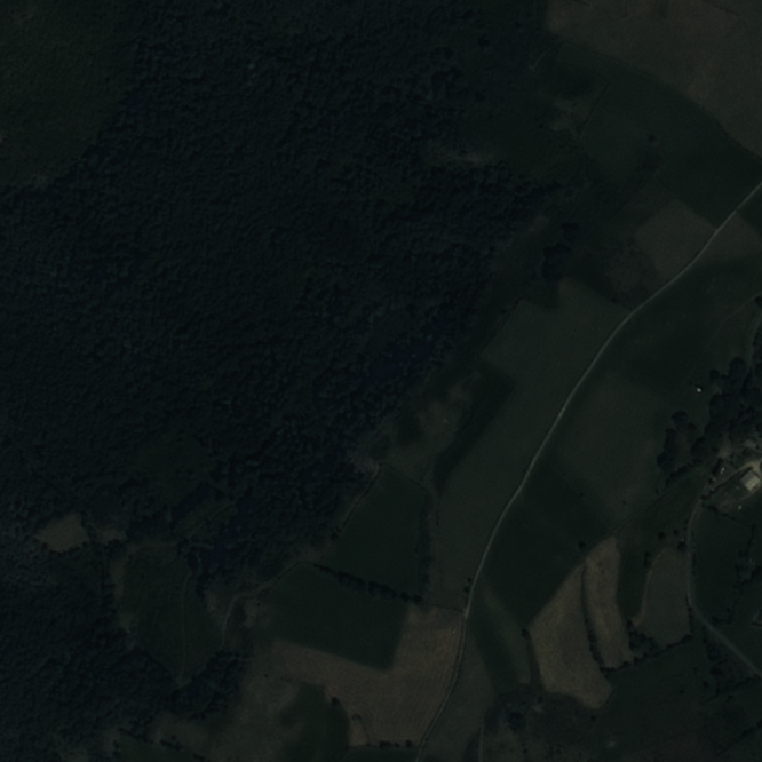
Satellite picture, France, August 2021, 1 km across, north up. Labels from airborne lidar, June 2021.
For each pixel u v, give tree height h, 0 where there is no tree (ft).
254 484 85
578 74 0
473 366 0
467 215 78
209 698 32
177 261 88
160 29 81
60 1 58
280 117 87
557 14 0
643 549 0
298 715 0
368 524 0
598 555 0
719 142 0
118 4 60
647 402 0
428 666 0
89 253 78
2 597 98
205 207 92
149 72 97
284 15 75
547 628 0
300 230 83
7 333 87
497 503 0
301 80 58
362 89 28
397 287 69
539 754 0
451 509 0
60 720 33
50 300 57
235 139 85
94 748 21
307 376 75
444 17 64
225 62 68
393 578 0
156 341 70
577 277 0
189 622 0
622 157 0
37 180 27
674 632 0
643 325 0
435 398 0
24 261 52
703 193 0
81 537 0
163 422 80
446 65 50
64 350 83
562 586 0
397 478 0
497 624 0
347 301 81
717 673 49
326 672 0
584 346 0
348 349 69
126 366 91
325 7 39
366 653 0
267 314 93
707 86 0
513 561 0
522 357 0
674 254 0
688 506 0
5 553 57
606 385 0
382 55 81
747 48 0
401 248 69
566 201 0
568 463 0
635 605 0
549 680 0
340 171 23
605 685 0
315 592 0
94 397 88
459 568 0
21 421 67
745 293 0
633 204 0
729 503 0
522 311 0
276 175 80
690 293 0
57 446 59
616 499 0
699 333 0
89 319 77
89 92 54
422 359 57
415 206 30
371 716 0
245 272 81
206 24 68
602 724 0
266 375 57
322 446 28
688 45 0
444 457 0
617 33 0
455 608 0
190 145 94
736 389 52
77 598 46
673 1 0
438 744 0
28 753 57
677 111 0
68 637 27
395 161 30
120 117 116
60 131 58
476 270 76
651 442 0
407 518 0
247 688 0
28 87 56
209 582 41
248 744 0
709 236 0
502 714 0
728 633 0
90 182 96
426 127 25
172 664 0
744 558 46
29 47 31
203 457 0
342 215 83
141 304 71
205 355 97
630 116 0
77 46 37
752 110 0
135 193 120
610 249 0
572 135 0
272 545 71
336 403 51
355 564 0
